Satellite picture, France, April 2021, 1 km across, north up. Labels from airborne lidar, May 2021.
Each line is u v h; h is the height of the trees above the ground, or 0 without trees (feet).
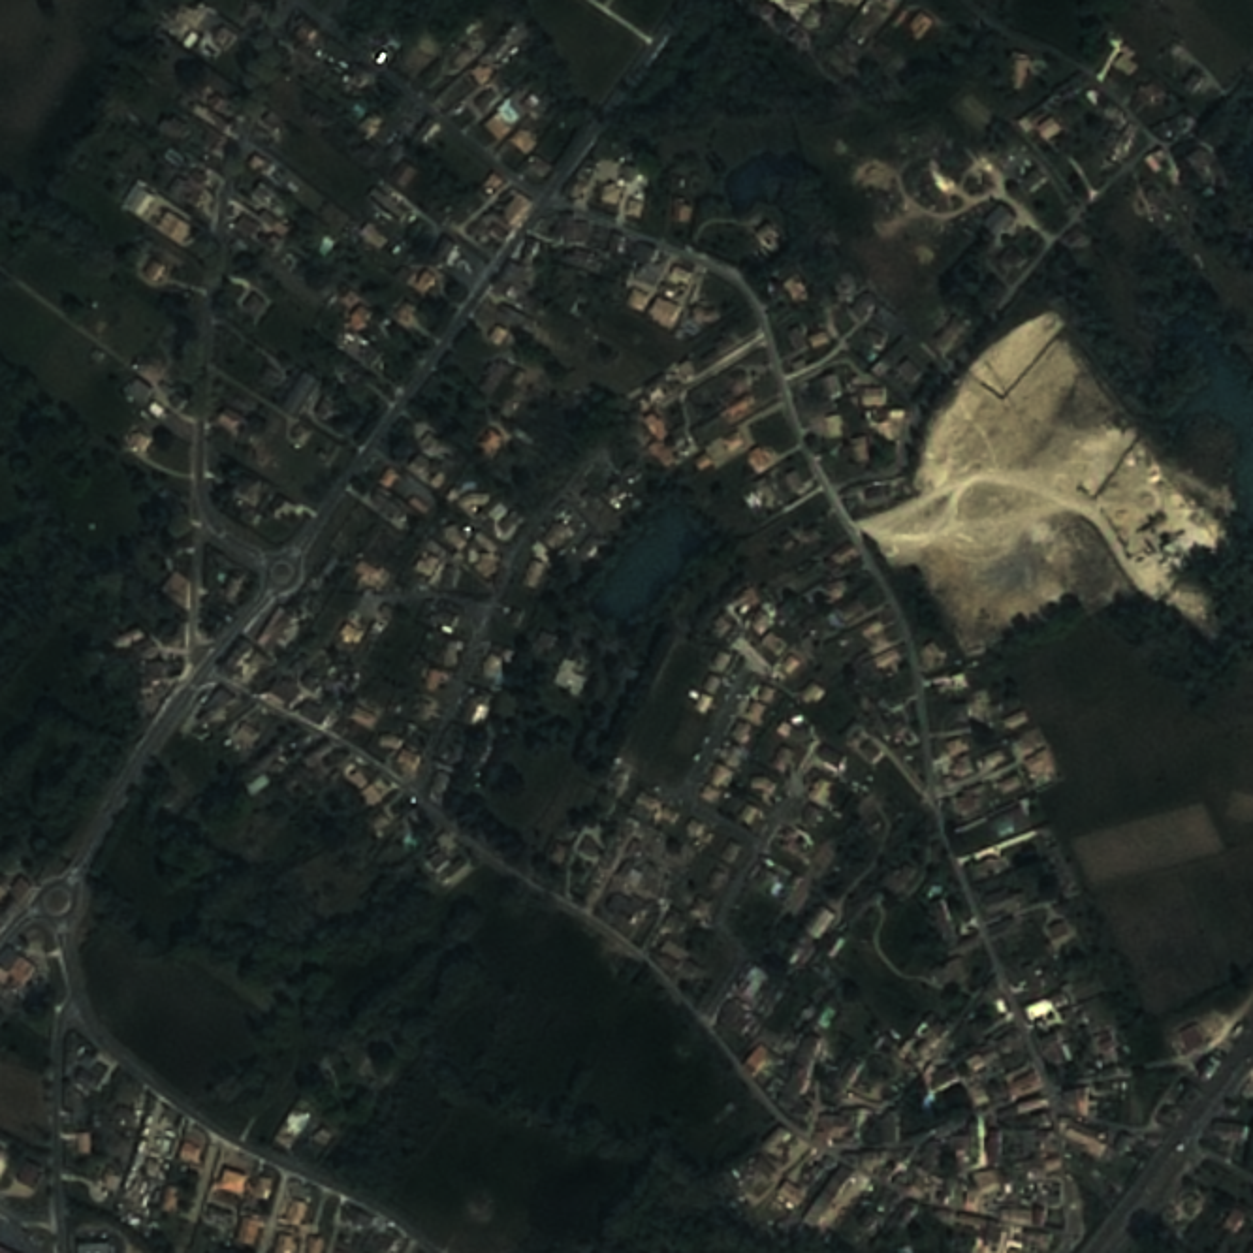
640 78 34
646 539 0
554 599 30
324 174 0
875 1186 0
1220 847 0
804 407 84
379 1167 67
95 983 0
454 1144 0
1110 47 38
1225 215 34
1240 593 88
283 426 0
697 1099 0
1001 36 35
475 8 35
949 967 0
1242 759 0
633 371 0
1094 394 0
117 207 0
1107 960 33
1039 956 0
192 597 0
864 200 0
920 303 0
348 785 23
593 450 51
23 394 47
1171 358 52
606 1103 0
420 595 0
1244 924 0
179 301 20
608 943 0
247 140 0
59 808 60
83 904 0
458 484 0
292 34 23
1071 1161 0
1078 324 40
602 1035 0
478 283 0
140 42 27
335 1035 61
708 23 63
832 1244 26
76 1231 0
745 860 0
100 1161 39
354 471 0
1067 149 58
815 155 0
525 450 24
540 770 0
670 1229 39
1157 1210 0
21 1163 46
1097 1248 0
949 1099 27
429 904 68
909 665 22
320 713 0
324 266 36
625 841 0
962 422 0
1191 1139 0
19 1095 0
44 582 20
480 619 0
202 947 82
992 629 0
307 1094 56
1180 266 50
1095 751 0
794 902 0
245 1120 0
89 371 0
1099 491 0
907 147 0
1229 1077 0
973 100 0
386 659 28
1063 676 0
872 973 0
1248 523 29
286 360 35
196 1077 0
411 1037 48
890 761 0
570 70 45
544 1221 0
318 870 0
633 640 41
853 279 25
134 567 73
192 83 46
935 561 0
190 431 0
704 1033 47
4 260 0
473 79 20
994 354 0
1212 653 67
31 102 0
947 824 0
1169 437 60
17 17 0
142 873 0
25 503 60
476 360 0
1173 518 0
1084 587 0
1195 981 0
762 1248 94
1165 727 0
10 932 0
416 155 35
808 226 66
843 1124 0
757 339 0
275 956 43
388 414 0
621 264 27
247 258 31
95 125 27
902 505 0
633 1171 0
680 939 0
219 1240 25
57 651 0
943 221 0
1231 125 30
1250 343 64
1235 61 0
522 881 26
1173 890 0
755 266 27
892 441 44
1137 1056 21
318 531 0
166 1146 0
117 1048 0
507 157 0
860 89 57
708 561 66
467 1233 0
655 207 25
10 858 61
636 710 33
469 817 48
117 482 0
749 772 0
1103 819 0
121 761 28
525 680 29
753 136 0
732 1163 23
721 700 0
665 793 0
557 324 0
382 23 41
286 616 0
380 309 22
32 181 0
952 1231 23
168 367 0
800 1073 0
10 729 0
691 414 0
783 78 29
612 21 0
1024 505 0
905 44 0
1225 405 0
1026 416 0
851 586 18
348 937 60
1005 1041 0
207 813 57
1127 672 0
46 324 0
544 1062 0
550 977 0
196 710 0
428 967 54
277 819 26
